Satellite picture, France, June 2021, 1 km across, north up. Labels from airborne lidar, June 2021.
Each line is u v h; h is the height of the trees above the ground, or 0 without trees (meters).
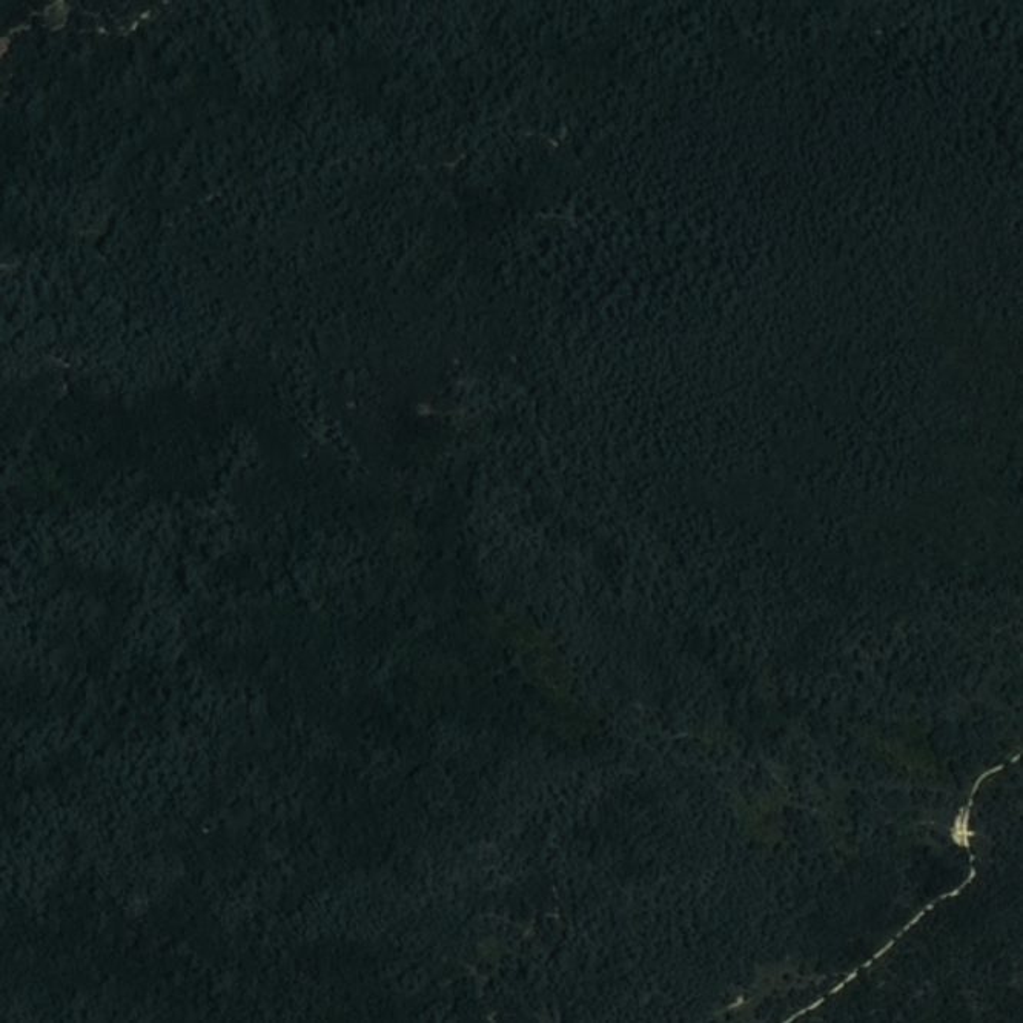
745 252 8
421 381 12
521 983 8
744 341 11
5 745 12
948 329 7
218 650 14
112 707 27
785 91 18
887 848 12
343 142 20
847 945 9
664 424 18
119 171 10
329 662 13
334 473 12
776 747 11
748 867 15
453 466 18
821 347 6
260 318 13
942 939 7
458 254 11
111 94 15
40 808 20
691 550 16
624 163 18
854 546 9
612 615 13
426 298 9
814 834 12
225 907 17
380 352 8
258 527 11
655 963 14
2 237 15
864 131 18
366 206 11
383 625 11
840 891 11
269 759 13
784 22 14
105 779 21
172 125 15
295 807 15
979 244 9
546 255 11
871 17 14
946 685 14
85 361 14
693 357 15
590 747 12
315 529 10
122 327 17
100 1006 21
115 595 15
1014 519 8
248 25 21
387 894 11
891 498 7
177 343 19
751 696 10
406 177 9
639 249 17
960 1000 8
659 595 16
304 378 14
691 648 14
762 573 16
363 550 15
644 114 17
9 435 18
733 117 21
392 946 19
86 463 13
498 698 8
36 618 26
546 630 11
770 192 10
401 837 13
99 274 14
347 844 14
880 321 7
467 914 11
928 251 11
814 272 11
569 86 11
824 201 9
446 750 14
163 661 21
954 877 12
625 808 14
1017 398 8
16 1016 13
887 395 14
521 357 10
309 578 18
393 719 16
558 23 22
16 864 19
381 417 13
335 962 15
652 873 10
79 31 10
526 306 8
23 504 14
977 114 17
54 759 17
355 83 8
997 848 8
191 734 17
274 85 19
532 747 16
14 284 22
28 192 26
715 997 14
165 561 18
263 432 13
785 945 15
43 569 20
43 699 14
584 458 16
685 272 20
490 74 6
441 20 16
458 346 8
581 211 6
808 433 7
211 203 7
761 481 7
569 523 13
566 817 14
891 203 11
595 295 20
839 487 13
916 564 8
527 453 11
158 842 12
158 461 8
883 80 18
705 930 19
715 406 15
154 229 9
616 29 12
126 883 11
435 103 13
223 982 19
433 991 12
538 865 14
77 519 19
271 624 14
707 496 9
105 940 18
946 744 14
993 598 10
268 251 7
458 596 9
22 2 20
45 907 16
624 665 12
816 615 16
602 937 14
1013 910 13
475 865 7
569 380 15
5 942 18
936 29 19
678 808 12
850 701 8
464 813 9
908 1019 11
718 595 14
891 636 9
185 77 21
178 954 24
